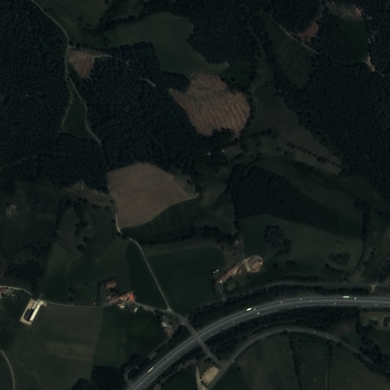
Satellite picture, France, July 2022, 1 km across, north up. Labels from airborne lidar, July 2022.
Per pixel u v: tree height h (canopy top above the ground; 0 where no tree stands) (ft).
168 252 0
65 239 0
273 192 54
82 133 0
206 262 0
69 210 0
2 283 0
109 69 52
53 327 0
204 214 0
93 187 88
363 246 0
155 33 0
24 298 0
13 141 67
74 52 0
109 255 0
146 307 0
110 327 0
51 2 0
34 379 0
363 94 58
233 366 0
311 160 0
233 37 65
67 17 0
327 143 45
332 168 0
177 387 0
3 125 67
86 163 116
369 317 0
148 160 111
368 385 0
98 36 24
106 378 42
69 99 88
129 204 0
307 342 33
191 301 0
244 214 66
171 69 0
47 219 0
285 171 0
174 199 0
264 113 0
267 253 0
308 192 0
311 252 0
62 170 123
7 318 0
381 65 70
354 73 72
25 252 0
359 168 66
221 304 46
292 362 0
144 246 42
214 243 0
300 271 0
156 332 0
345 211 0
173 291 0
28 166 35
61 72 43
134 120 93
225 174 0
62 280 0
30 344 0
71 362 0
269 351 0
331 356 21
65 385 0
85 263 0
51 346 0
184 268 0
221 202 0
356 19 0
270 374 0
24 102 84
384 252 0
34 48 85
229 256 0
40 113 81
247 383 0
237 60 72
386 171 72
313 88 72
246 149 57
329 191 0
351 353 0
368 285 0
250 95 72
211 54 60
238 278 0
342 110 65
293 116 0
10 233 0
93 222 0
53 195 0
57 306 0
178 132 124
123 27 0
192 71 0
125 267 0
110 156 84
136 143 106
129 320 0
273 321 47
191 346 0
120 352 0
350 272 0
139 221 0
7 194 27
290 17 89
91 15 0
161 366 0
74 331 0
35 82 102
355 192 0
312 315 47
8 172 25
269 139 0
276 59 49
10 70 84
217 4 83
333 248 0
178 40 0
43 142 45
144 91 80
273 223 0
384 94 54
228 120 0
